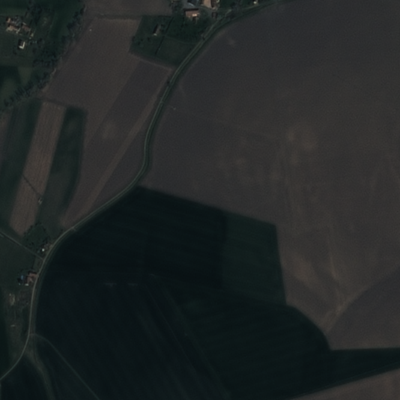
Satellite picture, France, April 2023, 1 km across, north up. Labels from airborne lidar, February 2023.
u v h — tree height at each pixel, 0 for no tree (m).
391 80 0
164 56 0
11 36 0
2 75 0
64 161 0
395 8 0
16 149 0
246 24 0
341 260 0
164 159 0
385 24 0
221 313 0
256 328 0
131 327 0
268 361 0
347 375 0
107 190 0
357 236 0
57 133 0
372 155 0
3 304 0
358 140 0
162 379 0
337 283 0
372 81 0
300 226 0
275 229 0
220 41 0
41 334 0
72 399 0
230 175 0
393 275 0
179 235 0
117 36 0
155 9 0
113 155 0
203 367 0
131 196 0
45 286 0
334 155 0
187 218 0
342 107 0
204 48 0
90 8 0
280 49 0
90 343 0
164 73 0
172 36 0
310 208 0
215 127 0
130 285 0
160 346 0
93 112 0
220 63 0
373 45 0
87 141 0
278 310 0
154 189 0
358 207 0
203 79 0
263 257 0
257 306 0
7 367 0
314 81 0
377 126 0
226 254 0
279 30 0
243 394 0
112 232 0
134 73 0
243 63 0
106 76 0
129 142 0
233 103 0
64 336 0
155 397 0
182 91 0
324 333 0
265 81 0
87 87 0
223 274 0
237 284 0
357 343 0
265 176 0
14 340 0
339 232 0
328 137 0
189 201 0
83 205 0
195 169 0
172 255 0
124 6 0
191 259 0
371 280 0
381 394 0
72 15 0
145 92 0
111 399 0
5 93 0
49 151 0
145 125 0
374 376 0
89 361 0
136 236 0
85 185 0
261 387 0
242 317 0
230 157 0
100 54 0
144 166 0
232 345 0
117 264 0
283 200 0
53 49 0
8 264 0
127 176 0
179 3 6
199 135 0
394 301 0
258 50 0
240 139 0
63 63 0
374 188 0
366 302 0
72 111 0
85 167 0
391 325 0
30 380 0
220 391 0
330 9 0
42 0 0
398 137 0
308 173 0
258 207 0
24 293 0
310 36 0
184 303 0
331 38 0
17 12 0
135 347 0
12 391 0
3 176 0
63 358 0
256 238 0
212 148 0
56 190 0
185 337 0
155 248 0
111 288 0
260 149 0
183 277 0
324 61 0
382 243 0
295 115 0
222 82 0
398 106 0
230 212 0
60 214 0
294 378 0
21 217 0
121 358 0
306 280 0
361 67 0
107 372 0
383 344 0
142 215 0
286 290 0
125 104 0
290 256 0
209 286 0
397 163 0
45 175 0
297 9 0
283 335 0
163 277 0
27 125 0
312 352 0
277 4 0
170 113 0
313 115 0
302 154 0
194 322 0
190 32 0
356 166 0
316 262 0
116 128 0
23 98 30
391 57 0
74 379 0
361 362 0
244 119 0
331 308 0
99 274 0
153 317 0
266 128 0
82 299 0
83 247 0
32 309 0
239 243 0
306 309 0
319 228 0
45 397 0
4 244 0
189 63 0
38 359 0
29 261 0
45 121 0
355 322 0
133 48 0
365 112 0
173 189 0
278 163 0
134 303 0
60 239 0
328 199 0
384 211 0
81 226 0
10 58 0
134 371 0
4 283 0
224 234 0
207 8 0
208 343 0
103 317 0
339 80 0
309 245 0
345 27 0
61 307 0
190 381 0
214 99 0
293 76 0
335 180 0
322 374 0
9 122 0
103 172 0
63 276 0
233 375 0
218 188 0
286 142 0
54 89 0
